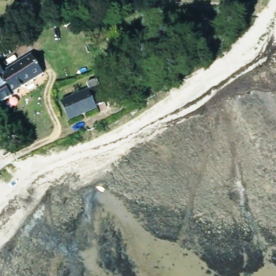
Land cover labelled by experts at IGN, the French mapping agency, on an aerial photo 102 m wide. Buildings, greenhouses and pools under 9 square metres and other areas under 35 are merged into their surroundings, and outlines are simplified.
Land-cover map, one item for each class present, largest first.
<instances>
[{"label":"bare soil","instance_id":"1","mask_svg":"<svg viewBox=\"0 0 276 276\"><path fill-rule=\"evenodd\" d=\"M44 178L43 174L39 175L33 179L27 190L23 188L0 212V276H121L119 271L112 273L106 270V262L118 259V253H122V259L128 258L135 264L133 271L136 276H222L208 267L203 259L231 262L235 257L241 256L244 258V267L247 266L249 257L257 261L263 256L264 265L258 272L240 273L239 276H276V93L250 91L247 95L227 97L221 109H215L209 114L205 112L191 115L190 119H181L177 126H167L166 132L158 134L148 142L137 143L135 147L130 148L128 154L122 155L120 160L98 170H92L84 176L66 172L53 181L39 183L38 181Z\"/></svg>","mask_w":276,"mask_h":276},{"label":"deciduous trees","instance_id":"2","mask_svg":"<svg viewBox=\"0 0 276 276\"><path fill-rule=\"evenodd\" d=\"M150 0H0V53L9 55L10 51L20 46H28L37 41L43 29H55L63 25L64 28L69 27L73 33L84 32L85 37H91V42L98 46L105 42L108 45L106 50L109 56L105 58V63L98 70V74L102 85L100 92L96 93L97 100L108 102L114 99L118 106H123V109L143 110L146 109L152 89L156 88L160 92L164 86L171 88H179L185 78L191 77L198 69H208L216 59L212 57L206 45L202 29L191 30L193 23L166 26L163 23V10L152 9ZM135 12L144 14L141 19L144 28L137 38L130 40L123 28H116V24L125 22L126 17ZM258 0H220V11L212 20V24L215 27L213 38L220 39L219 51L223 54L230 52L232 45L253 25L257 18L254 9ZM37 139L36 125L29 121L27 112L18 110L15 106H10L9 101L5 100L0 101V148L15 153L30 146Z\"/></svg>","mask_w":276,"mask_h":276},{"label":"herbaceous vegetation","instance_id":"3","mask_svg":"<svg viewBox=\"0 0 276 276\"><path fill-rule=\"evenodd\" d=\"M220 0H150L152 9L163 10V23L166 26L193 23L191 30L202 29L206 45L212 57L216 59L223 57V54L219 51L220 39L213 38L215 27L212 24V20L220 11ZM144 14L135 12L126 17L125 22L116 24V28H123L130 40L137 38L144 28L141 19ZM37 41L41 44L40 50L44 52V63L46 61L51 65L57 78L86 71L87 67L94 66L95 57L106 50L108 45L105 42L98 46L91 42V37H85L84 32L73 33L69 27L64 28L63 25L55 29H43ZM216 89L217 94L202 107L166 122L167 126H177L181 119H190L191 115L205 112L209 114L215 109H221L227 97L247 95L250 91L276 93V41L272 37L268 40L265 51L260 52L248 64L240 67L217 85L209 87L201 96L158 118L163 120L167 116L177 114L195 105ZM88 79H97V85L94 86L96 93L100 92L102 85L98 74L88 73L84 78L74 80V85L60 87L55 91L53 88L52 99L59 112L58 119L61 125L60 137L39 149L32 150V155H45L50 150L65 151L75 144L96 139L136 119L143 110L123 109V106H118L114 99L108 102L110 107H118L120 111L96 121L93 128L84 125L75 130L73 125L87 116L98 113L99 110L95 109L69 119L63 111L66 106L61 98L70 92L79 91ZM45 86L38 85L29 93L19 96L15 106L18 110L27 112L29 121L36 125L37 139L50 136L54 129L44 106ZM171 88L164 86L160 92L156 88L152 89L146 109L169 95ZM118 259L106 262V270L112 273L119 271L121 276H136L133 271L135 264L128 258L122 259V253H118ZM208 267L222 276H239L240 273L258 272L264 265L263 256L257 261L249 257L247 266L244 267V258L241 256L235 257L231 262L203 259Z\"/></svg>","mask_w":276,"mask_h":276},{"label":"pervious surface","instance_id":"4","mask_svg":"<svg viewBox=\"0 0 276 276\"><path fill-rule=\"evenodd\" d=\"M257 18L253 25L232 45L230 52L223 54V57L216 59L208 69H198L191 77L185 78L179 88H171L169 95L146 109L143 110L136 119L96 139L75 144L65 151L50 150L45 155H32V150L39 149L60 137L61 125L58 119L59 112L52 99L53 88L57 78L51 65L46 61L44 63V52L40 50L41 44L37 41L28 46H20L10 51L9 55L0 53V57H4L6 63L11 64L30 52L38 60L43 71L37 77L16 87L11 95L4 96L5 100L9 101L10 106H15L19 96L29 93L38 85L45 86L44 106L54 129L50 136L37 139L30 146L15 153L0 148V212L23 188L27 190L33 179L39 175L43 174L44 178L38 181L39 183L53 181L66 172L84 176L92 170H98L120 160L122 155L128 154L130 148L135 147L137 143L148 142L158 134L166 132L167 126L166 122L202 107L217 94L216 89L195 105L177 114L167 116L163 120L158 118L201 96L209 87L217 85L240 67L248 64L260 52L265 51L268 40L272 37L276 41V0H258L254 9ZM95 109L99 110L98 113L87 116L73 125L75 130L84 125L93 128L96 121L120 111L118 107H110L108 102L97 100Z\"/></svg>","mask_w":276,"mask_h":276},{"label":"building","instance_id":"5","mask_svg":"<svg viewBox=\"0 0 276 276\"><path fill-rule=\"evenodd\" d=\"M43 71L38 60L30 52L11 64L6 63L4 57H0V101L5 100L4 96L11 95L16 87L37 77ZM97 79H88L79 91L70 92L61 98L66 106L63 111L69 119L95 109L97 100L96 93L94 86L97 85Z\"/></svg>","mask_w":276,"mask_h":276},{"label":"brushwood","instance_id":"6","mask_svg":"<svg viewBox=\"0 0 276 276\"><path fill-rule=\"evenodd\" d=\"M109 56L106 50L95 57L94 66L87 67L86 71L57 78L53 88L55 91L60 87L74 85V80L84 78L88 73L98 74V70L105 63V58Z\"/></svg>","mask_w":276,"mask_h":276}]
</instances>
